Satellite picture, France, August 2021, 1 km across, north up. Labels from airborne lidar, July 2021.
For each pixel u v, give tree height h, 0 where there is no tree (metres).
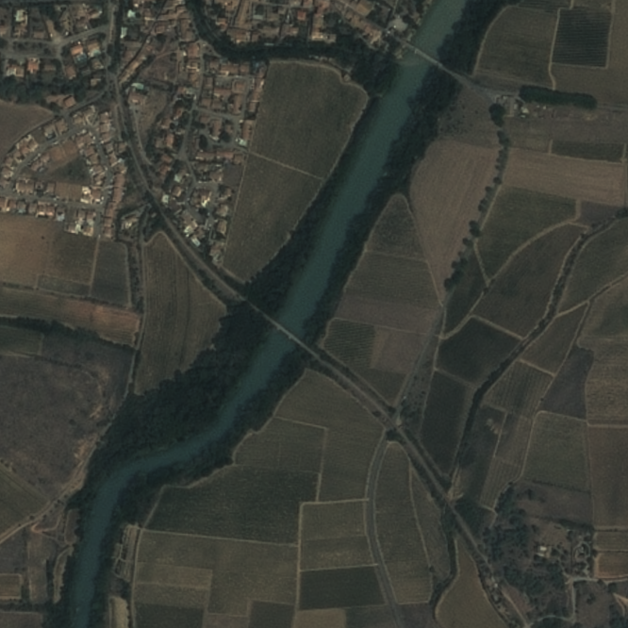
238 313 14
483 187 0
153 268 0
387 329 0
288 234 0
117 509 12
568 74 0
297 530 0
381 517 0
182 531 0
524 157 0
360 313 0
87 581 0
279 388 6
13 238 0
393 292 0
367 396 0
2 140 0
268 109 0
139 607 0
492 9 14
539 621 6
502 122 19
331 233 0
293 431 0
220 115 0
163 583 0
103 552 14
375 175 0
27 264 0
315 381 0
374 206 12
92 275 0
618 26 0
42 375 0
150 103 0
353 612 0
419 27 10
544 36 0
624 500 0
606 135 0
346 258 14
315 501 0
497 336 0
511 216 0
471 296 0
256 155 0
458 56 15
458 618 0
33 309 0
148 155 6
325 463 0
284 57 13
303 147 0
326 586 0
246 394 0
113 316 0
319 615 0
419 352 0
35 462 0
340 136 0
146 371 0
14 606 10
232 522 0
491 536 11
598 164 0
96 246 0
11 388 0
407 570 0
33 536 0
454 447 0
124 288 0
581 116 0
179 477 6
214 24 6
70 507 11
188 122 6
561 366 0
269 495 0
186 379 26
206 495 0
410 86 0
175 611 0
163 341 0
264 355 0
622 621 10
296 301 0
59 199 0
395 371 0
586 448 0
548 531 0
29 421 0
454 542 9
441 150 0
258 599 0
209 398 10
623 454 0
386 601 0
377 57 20
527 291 0
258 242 0
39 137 0
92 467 11
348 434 0
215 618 0
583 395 0
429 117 14
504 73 0
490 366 0
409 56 0
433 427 0
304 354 8
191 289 0
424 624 0
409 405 6
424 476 6
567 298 0
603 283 0
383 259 0
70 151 0
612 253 0
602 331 0
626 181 0
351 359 0
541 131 0
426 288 0
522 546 13
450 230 0
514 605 0
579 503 0
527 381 0
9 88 17
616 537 0
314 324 9
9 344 0
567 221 0
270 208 0
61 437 0
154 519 0
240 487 0
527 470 0
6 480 0
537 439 0
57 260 0
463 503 8
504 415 0
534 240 0
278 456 0
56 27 8
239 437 6
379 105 17
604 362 0
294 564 0
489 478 0
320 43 8
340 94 0
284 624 0
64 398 0
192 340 0
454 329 0
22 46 8
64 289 0
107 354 0
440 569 0
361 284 0
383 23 8
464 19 8
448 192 0
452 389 0
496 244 0
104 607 6
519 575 9
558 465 0
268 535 0
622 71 0
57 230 0
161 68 0
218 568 0
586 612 0
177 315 0
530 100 21
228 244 0
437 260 0
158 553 0
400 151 10
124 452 15
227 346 15
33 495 0
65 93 11
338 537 0
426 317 0
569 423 0
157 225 9
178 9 0
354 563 0
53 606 9
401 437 6
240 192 0
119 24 7
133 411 13
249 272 0
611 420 0
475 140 0
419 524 0
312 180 0
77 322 0
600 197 0
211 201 0
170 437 30
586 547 12
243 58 8
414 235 0
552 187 0
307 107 0
